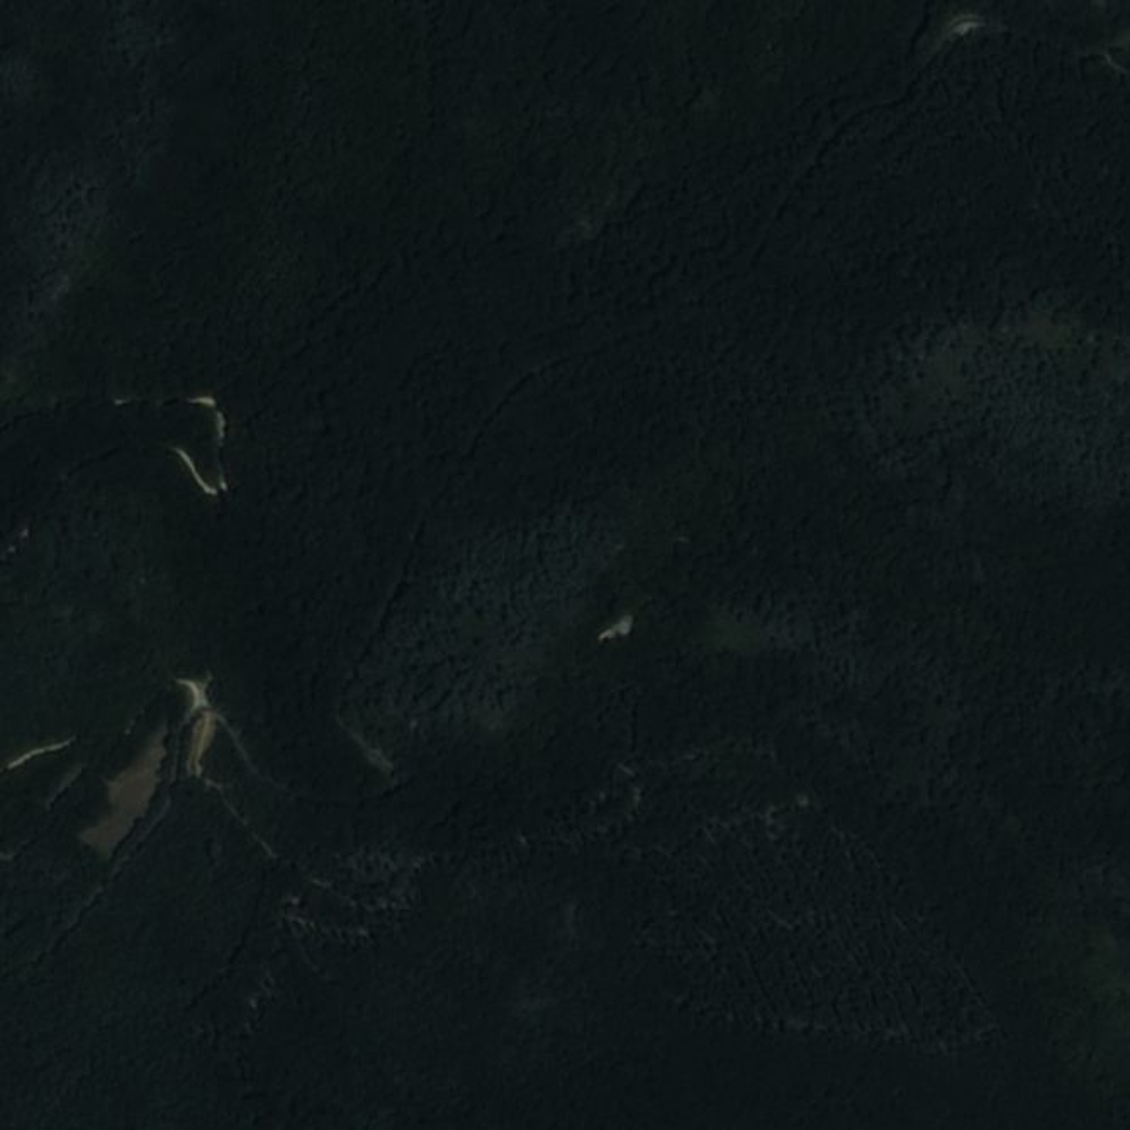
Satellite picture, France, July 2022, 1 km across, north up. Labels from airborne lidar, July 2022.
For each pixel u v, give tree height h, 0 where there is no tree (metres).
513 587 14
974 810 11
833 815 18
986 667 19
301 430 20
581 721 30
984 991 15
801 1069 20
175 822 8
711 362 16
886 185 19
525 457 15
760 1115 17
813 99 18
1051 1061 14
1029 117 23
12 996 17
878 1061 17
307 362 25
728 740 9
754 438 18
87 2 21
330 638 15
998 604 9
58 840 10
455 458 23
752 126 14
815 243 18
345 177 12
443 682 6
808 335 17
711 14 19
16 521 17
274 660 29
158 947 8
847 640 14
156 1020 13
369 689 10
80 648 7
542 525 11
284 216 14
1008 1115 10
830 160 20
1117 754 12
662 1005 13
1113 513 12
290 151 16
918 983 18
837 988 18
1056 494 10
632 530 8
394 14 24
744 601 13
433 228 21
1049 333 0
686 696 18
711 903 19
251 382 18
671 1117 17
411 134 20
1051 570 14
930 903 16
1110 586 14
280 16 22
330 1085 12
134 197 17
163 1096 10
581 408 16
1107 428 14
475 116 24
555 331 21
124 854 10
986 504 18
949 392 10
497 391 17
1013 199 16
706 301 18
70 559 9
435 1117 17
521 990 7
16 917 10
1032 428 18
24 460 20
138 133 9
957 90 18
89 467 15
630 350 20
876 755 19
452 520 19
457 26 15
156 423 26
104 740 13
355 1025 13
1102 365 13
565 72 21
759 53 11
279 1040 17
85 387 13
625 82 25
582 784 16
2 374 7
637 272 17
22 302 18
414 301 20
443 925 10
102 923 11
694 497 21
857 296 21
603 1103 18
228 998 19
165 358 9
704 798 13
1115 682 14
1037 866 11
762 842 13
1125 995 9
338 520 12
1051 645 16
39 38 22
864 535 11
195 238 22
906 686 14
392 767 8
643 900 14
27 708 14
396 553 17
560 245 22
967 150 21
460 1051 9
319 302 16
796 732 14
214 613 18
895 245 15
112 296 16
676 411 21
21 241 20
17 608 14
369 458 11
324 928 20
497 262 27
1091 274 18
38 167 19
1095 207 18
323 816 22
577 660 12
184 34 16
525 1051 8
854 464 14
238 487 18
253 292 14
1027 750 11
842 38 18
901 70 13
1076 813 12
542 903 8
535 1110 16
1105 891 9
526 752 22
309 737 20
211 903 6
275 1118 25
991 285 13
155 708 15
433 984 9
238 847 9
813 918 6
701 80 23
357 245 23
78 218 14
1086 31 16
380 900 19
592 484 9
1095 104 25
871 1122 19
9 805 18
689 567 24
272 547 15
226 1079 20
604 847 19
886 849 13
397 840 14
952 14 7
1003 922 12
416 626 15
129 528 13
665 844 14
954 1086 15
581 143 20
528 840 20
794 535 17
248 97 19
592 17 27
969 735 7
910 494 12
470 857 22
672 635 17
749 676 15
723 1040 19
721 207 19
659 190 17
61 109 25
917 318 9
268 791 16
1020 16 16
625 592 18
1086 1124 13
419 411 24
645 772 16
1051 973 9
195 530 23
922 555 13
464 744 10
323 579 13
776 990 17
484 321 18
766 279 15
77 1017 10
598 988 11
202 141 23
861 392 6
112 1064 9
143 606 9
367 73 18
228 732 6
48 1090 8
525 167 14
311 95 12
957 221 15
